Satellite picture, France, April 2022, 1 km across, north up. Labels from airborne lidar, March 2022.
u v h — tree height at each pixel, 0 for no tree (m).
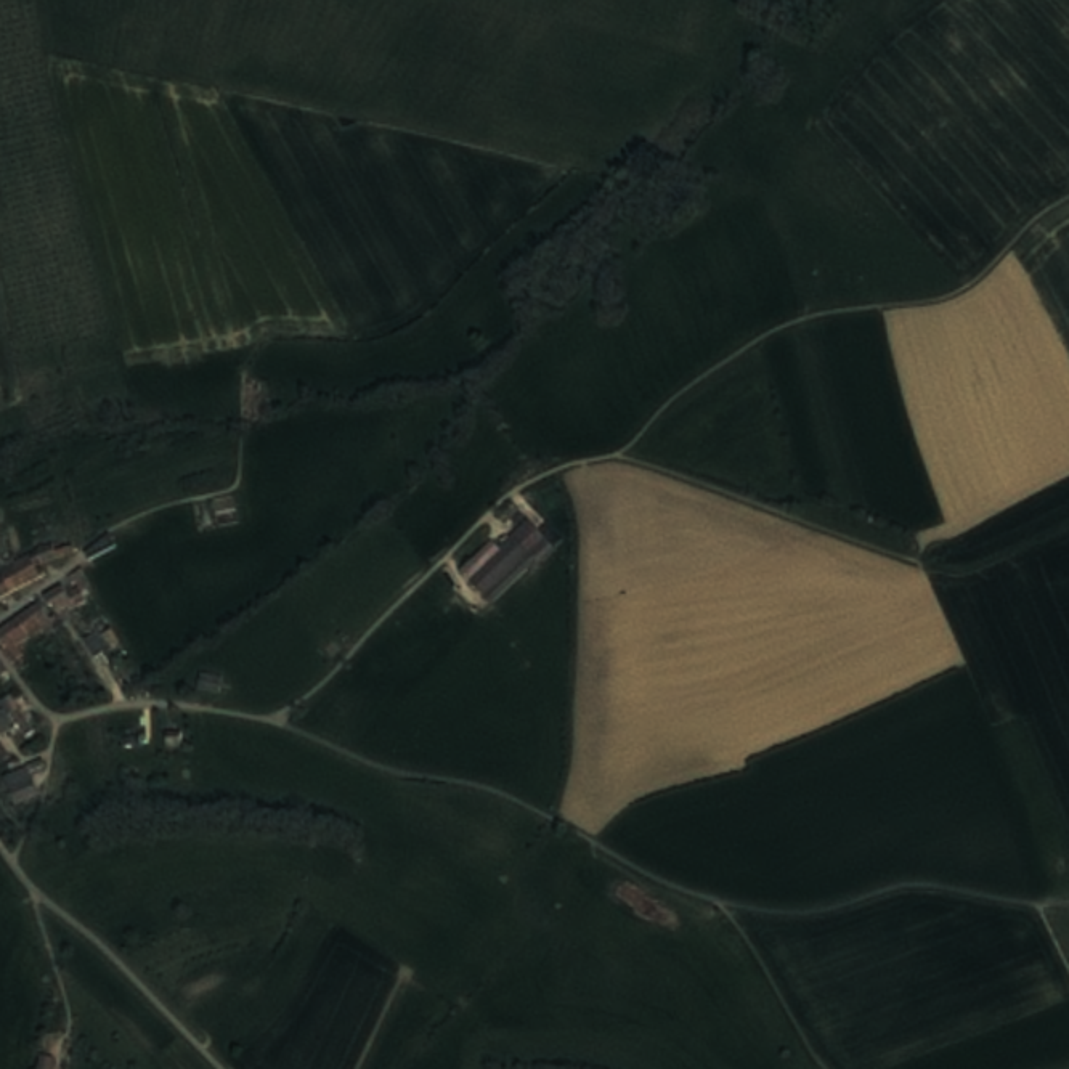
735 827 0
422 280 0
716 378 0
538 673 0
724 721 0
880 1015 0
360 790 0
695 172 16
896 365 0
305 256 0
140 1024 0
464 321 0
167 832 25
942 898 0
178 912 12
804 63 0
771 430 0
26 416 0
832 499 10
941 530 0
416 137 0
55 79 0
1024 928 0
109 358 0
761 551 0
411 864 0
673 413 0
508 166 0
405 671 0
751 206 0
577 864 0
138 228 0
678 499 0
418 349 0
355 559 0
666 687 0
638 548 0
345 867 0
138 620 0
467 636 0
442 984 0
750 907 0
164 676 9
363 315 0
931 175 0
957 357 0
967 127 0
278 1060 0
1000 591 0
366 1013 0
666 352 0
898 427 0
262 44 0
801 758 0
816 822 0
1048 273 0
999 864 0
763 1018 0
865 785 0
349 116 0
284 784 0
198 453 0
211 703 0
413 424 0
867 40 0
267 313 0
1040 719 0
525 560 0
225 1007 0
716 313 0
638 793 0
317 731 0
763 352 0
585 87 0
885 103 0
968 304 0
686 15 0
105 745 0
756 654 0
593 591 0
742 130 0
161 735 0
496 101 0
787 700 0
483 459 0
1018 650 0
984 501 0
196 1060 0
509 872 0
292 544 0
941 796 0
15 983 0
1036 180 0
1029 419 0
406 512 0
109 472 0
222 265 0
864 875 0
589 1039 0
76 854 0
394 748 0
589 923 0
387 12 0
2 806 0
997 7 0
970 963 0
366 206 0
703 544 0
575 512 0
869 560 0
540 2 0
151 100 0
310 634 0
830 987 0
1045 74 0
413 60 0
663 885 0
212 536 0
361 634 0
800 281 0
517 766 0
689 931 0
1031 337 0
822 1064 0
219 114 0
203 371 0
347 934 0
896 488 0
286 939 8
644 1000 0
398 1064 0
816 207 0
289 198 0
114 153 0
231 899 0
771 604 0
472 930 0
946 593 0
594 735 0
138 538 0
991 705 0
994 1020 0
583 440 0
